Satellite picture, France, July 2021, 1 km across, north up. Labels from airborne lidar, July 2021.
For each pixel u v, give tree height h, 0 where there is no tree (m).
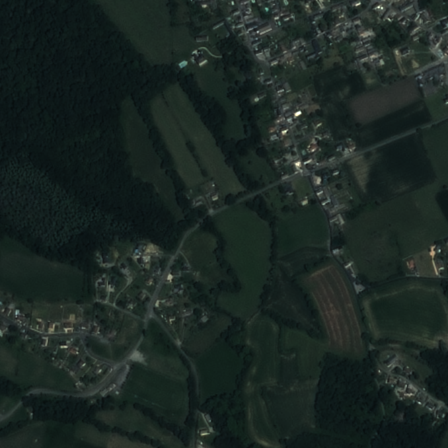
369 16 0
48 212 22
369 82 0
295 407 0
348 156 0
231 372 0
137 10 0
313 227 0
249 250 0
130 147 0
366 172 0
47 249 31
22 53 30
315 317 8
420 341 0
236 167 17
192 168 0
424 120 0
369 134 0
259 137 19
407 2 7
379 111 0
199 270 0
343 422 17
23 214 20
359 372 12
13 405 0
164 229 15
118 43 22
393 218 0
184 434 21
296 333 0
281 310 0
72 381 0
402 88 0
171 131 0
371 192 0
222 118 19
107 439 0
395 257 0
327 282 0
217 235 11
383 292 0
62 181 25
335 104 0
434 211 0
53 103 29
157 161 0
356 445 10
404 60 0
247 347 12
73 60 33
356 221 0
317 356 0
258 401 0
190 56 0
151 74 24
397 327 0
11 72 26
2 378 10
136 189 20
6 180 21
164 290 0
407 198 0
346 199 0
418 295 0
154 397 0
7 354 0
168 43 0
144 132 0
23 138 23
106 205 29
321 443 15
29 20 27
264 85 7
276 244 13
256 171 0
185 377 0
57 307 0
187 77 14
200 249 0
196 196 0
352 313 0
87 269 20
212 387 0
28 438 0
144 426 0
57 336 0
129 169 9
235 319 7
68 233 19
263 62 0
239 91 7
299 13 6
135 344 0
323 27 16
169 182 0
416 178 0
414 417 19
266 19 11
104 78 20
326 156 6
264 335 0
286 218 0
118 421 0
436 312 0
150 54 0
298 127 6
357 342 0
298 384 0
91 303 0
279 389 0
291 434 0
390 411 0
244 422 7
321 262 6
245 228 0
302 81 0
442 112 0
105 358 0
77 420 18
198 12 7
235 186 0
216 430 9
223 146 21
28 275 0
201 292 16
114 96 25
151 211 16
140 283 0
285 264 0
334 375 11
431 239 0
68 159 17
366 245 0
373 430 7
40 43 19
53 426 0
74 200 20
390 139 0
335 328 0
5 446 0
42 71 20
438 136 0
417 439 26
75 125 25
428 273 0
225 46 13
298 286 7
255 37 0
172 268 8
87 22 24
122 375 0
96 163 23
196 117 0
